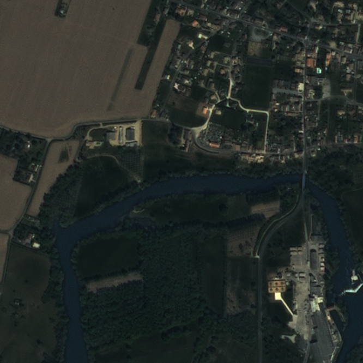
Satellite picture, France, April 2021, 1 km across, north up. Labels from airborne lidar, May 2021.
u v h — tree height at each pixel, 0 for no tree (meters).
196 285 11
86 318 22
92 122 0
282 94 6
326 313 0
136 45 0
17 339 0
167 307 15
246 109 0
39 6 0
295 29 10
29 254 0
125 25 0
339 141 8
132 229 19
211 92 0
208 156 0
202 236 24
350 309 0
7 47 0
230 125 0
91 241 21
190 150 0
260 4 16
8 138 8
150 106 0
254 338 19
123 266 0
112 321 23
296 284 0
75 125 0
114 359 0
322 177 23
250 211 0
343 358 0
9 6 0
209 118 0
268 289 0
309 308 0
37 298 0
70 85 0
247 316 13
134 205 10
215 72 0
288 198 20
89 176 0
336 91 0
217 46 0
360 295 0
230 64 0
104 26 0
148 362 0
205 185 0
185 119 0
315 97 10
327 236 18
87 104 0
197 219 0
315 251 0
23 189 0
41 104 0
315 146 0
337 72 0
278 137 5
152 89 0
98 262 0
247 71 0
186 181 0
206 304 18
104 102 0
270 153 0
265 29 0
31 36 0
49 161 0
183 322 14
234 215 0
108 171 0
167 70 6
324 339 0
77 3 0
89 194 0
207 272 0
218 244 0
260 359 0
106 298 18
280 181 0
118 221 0
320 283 0
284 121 12
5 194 0
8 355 0
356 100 0
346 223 10
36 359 0
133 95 0
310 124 0
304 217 0
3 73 0
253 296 0
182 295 11
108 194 0
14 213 0
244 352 0
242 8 0
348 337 0
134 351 0
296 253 0
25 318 0
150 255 16
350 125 0
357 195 0
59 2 0
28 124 0
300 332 0
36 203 0
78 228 0
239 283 0
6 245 0
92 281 14
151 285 18
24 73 0
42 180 0
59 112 0
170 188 0
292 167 19
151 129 0
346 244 0
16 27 0
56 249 16
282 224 0
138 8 0
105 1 0
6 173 0
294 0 0
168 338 19
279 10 16
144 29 0
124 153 22
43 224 13
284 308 0
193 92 0
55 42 0
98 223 0
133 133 0
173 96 0
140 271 18
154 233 21
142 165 27
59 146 0
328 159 16
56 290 13
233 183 0
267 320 18
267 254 0
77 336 0
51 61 0
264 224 23
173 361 0
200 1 0
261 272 0
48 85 0
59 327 8
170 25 0
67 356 0
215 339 14
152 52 0
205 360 12
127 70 0
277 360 16
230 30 9
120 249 0
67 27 0
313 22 0
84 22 0
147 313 24
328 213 0
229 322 16
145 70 0
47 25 0
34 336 0
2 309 0
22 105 0
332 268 30
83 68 0
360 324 0
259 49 0
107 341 13
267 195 26
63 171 0
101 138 0
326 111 6
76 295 0
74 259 15
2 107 0
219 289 0
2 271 0
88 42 0
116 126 0
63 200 23
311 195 14
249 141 0
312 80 0
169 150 0
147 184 12
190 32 0
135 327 25
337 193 0
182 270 8
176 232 21
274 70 0
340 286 0
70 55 0
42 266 0
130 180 0
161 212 0
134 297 17
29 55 0
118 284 0
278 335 0
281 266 0
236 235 24
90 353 11
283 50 10
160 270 15
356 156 15
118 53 0
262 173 14
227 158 0
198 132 0
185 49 0
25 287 0
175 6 6
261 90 0
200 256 8
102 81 0
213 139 0
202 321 11
